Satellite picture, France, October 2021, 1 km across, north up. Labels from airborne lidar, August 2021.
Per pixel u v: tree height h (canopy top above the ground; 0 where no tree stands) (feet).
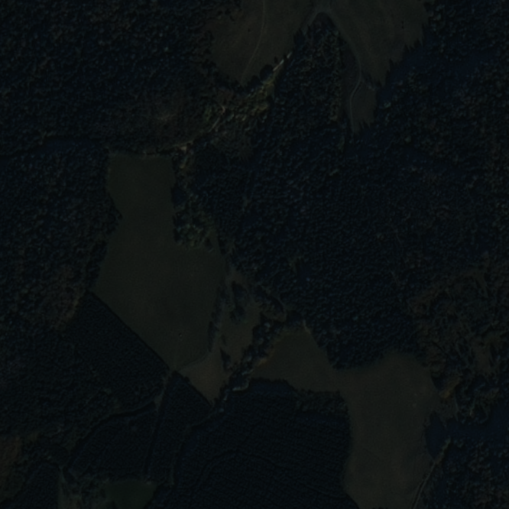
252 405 59
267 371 0
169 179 0
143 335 0
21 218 64
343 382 0
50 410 102
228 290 51
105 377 51
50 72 83
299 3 0
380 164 72
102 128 88
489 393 80
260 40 0
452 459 56
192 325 0
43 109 88
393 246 61
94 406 94
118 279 0
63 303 92
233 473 64
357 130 0
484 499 61
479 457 79
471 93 83
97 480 48
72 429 110
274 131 37
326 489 42
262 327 58
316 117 40
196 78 89
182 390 53
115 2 81
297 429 49
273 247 107
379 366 0
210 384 0
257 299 65
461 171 25
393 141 74
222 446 58
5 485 62
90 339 47
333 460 59
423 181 83
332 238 90
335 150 85
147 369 47
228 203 78
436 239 84
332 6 0
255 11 0
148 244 0
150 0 90
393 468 0
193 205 85
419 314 72
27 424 94
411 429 0
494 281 53
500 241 53
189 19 25
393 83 45
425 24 0
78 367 98
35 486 62
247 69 0
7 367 67
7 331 61
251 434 68
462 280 25
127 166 0
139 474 64
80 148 102
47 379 101
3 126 87
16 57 64
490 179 75
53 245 92
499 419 26
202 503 64
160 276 0
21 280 57
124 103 70
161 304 0
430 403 0
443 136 50
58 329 57
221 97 71
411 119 29
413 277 20
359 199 89
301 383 0
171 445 61
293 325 81
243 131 23
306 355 0
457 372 67
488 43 76
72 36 79
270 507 53
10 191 84
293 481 64
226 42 0
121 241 0
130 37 76
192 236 85
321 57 28
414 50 0
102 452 61
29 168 60
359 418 0
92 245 74
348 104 0
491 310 35
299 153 96
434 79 28
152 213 0
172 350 0
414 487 0
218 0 71
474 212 85
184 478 55
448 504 43
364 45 0
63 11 69
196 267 0
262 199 88
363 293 114
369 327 80
